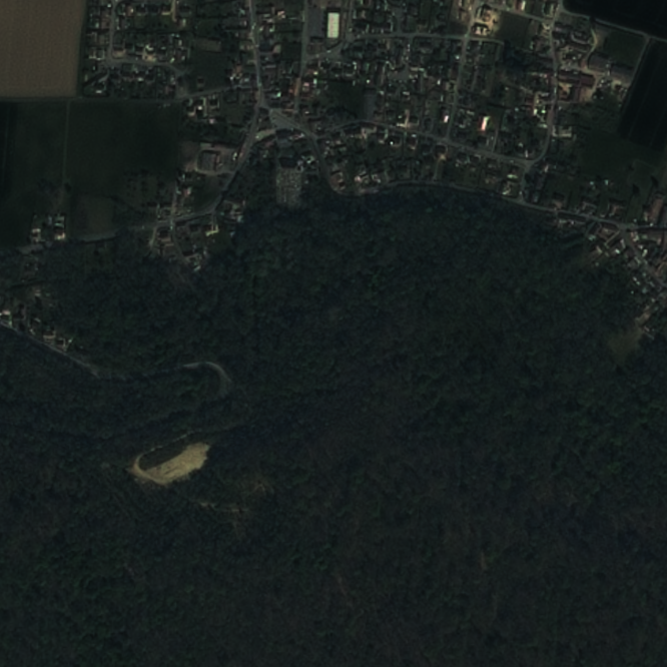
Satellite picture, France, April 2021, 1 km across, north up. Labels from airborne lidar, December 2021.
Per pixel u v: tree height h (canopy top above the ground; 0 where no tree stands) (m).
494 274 19
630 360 0
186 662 19
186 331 23
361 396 18
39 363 23
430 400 25
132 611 15
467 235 26
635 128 0
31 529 27
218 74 0
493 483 24
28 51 0
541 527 22
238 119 0
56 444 28
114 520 22
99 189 0
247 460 21
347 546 26
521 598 22
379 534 12
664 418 28
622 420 28
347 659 22
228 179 6
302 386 27
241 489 8
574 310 31
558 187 0
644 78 0
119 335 25
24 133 0
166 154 0
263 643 20
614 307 11
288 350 27
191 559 21
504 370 26
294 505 19
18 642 26
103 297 26
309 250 29
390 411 18
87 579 26
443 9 8
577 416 25
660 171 0
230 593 21
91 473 16
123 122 0
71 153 0
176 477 0
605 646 24
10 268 13
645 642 7
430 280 20
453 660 27
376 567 26
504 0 0
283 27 0
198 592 23
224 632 20
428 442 32
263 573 14
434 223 31
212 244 0
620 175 0
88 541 24
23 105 0
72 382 21
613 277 9
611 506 30
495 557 23
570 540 21
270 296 23
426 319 27
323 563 23
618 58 0
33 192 0
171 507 15
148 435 19
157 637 27
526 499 33
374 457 21
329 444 18
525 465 28
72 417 18
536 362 14
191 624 21
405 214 31
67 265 14
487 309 9
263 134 0
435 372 20
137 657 25
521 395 26
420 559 20
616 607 27
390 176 6
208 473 16
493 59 0
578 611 22
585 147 7
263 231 27
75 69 0
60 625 27
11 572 27
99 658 23
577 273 20
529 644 27
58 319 20
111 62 0
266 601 15
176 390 23
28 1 0
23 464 21
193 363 0
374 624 15
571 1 0
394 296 22
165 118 0
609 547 20
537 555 20
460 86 0
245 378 25
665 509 26
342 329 7
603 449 33
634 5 0
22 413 21
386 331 25
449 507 12
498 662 27
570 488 28
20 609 25
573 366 32
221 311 25
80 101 0
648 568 25
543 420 22
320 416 20
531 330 30
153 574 22
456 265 31
